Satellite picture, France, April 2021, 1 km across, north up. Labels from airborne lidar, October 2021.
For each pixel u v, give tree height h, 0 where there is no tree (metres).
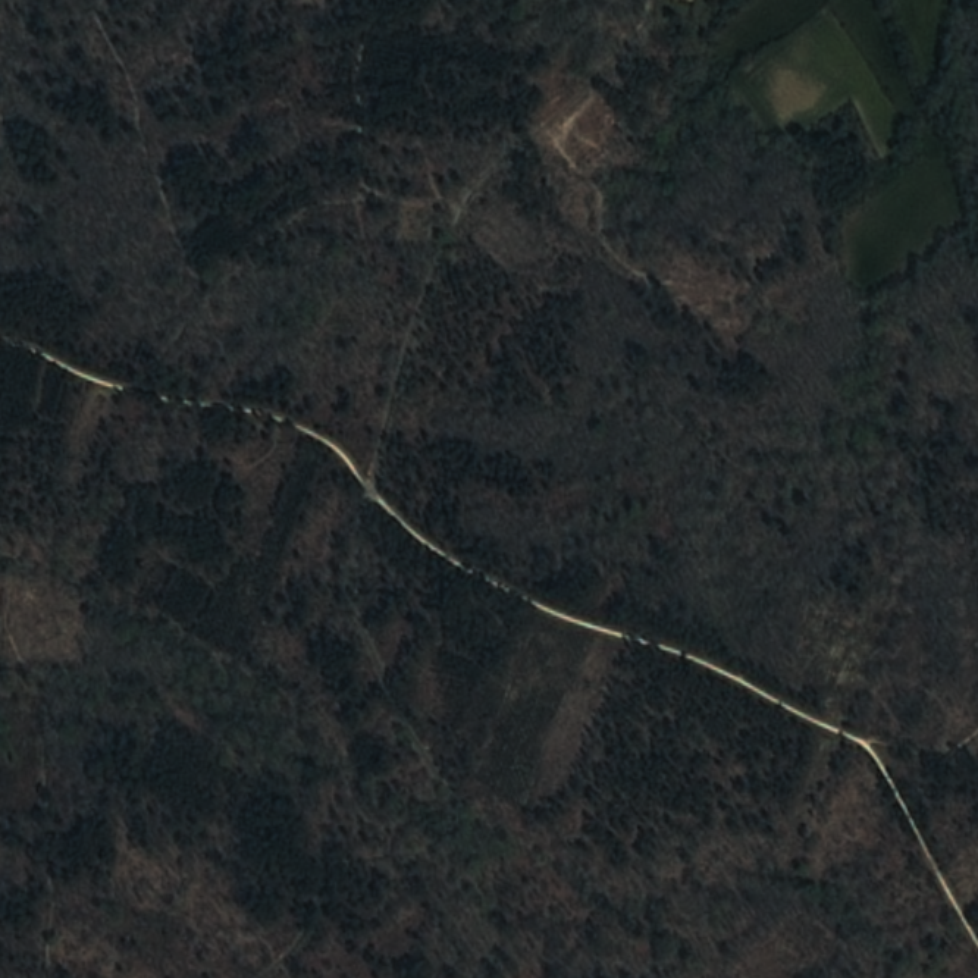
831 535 10
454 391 13
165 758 21
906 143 18
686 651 24
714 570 20
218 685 21
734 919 13
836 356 18
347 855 20
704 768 20
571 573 8
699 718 22
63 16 22
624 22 21
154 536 23
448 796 13
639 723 20
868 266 0
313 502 14
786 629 10
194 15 11
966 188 13
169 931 6
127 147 13
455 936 19
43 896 12
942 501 9
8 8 13
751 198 16
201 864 13
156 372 28
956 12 16
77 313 20
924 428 14
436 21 12
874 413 21
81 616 0
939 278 18
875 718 7
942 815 10
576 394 10
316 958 7
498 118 18
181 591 13
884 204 0
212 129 21
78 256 13
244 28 10
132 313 14
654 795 23
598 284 11
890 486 16
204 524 20
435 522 15
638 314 9
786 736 20
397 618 21
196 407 14
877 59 0
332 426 10
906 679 15
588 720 0
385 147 7
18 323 23
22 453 13
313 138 14
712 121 27
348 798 24
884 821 9
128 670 19
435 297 16
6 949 10
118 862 23
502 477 15
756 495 15
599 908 20
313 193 15
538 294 14
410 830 13
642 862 21
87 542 14
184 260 18
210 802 16
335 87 8
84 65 24
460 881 13
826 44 0
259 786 18
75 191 12
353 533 16
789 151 19
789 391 14
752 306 20
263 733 24
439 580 13
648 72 24
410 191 19
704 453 9
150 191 14
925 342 24
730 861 15
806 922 6
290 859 23
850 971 17
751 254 14
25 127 15
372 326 15
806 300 17
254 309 13
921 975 18
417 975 27
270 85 7
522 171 27
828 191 23
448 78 10
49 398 9
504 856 27
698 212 19
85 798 14
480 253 10
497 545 13
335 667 23
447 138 17
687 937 19
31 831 13
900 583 17
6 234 12
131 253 13
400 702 21
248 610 10
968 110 27
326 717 11
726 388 15
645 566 18
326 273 16
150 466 16
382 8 18
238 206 19
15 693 20
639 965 15
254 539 6
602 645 0
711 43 22
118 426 14
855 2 0
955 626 13
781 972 0
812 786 0
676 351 14
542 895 8
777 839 23
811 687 0
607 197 25
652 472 19
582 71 8
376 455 10
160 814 14
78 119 21
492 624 25
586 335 12
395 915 15
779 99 0
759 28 0
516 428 14
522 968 13
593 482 10
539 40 7
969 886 0
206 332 11
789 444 15
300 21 11
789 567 9
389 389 14
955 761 9
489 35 12
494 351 13
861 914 16
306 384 13
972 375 13
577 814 10
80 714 21
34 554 11
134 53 12
